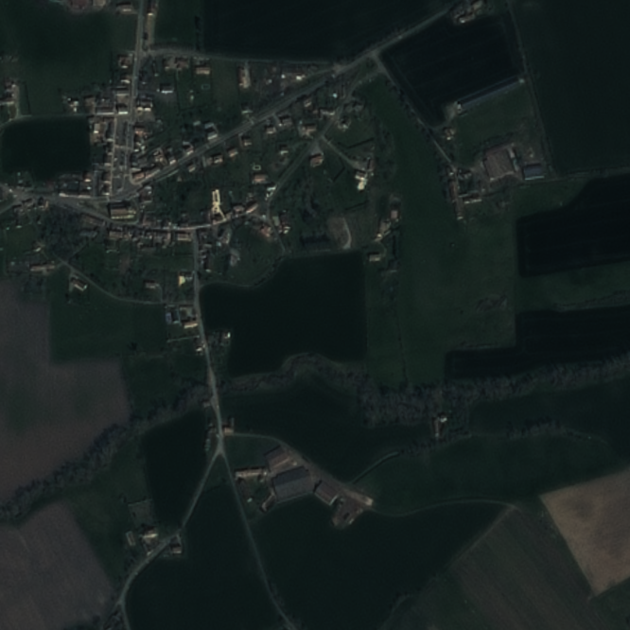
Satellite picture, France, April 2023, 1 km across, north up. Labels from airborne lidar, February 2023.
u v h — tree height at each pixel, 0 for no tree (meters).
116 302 0
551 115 0
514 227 0
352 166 0
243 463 0
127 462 0
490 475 0
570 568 0
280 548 0
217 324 0
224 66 0
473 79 0
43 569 0
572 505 0
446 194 6
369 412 27
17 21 0
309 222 27
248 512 0
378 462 0
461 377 0
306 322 0
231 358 0
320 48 0
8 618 0
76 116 0
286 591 0
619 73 0
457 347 0
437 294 0
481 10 0
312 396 0
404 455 6
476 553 0
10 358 0
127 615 0
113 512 0
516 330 0
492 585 0
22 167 0
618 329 0
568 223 0
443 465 0
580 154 0
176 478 0
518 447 0
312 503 0
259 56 0
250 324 0
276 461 0
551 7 0
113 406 0
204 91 0
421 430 0
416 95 0
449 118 0
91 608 0
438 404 17
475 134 0
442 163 8
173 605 0
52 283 0
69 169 0
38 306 0
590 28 0
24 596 0
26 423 0
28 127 0
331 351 0
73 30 0
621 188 0
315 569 0
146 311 0
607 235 0
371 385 17
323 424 0
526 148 0
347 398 0
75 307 0
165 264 0
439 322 0
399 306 0
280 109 0
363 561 0
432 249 0
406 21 0
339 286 0
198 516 0
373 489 0
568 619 0
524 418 0
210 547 0
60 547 0
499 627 0
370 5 0
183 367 0
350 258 0
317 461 0
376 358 0
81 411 0
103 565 0
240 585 0
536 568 0
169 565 0
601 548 0
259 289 0
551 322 0
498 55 0
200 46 10
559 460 0
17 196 0
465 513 0
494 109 0
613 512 0
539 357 0
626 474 0
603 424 0
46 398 0
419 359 0
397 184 0
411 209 0
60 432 0
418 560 0
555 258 0
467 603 0
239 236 0
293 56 0
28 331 0
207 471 0
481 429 0
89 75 0
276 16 0
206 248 0
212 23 0
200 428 0
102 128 7
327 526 0
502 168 0
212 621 0
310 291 0
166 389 0
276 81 0
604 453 0
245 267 0
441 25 0
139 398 0
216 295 0
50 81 0
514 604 0
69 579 0
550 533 0
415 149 0
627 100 0
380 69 0
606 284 0
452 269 0
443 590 0
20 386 0
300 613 0
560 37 0
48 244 19
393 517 0
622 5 0
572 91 0
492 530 0
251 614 0
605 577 0
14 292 0
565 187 0
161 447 0
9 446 0
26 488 0
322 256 0
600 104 0
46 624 0
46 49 0
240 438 0
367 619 0
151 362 0
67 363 0
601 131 0
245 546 0
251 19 0
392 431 0
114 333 0
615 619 0
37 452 0
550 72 0
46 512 0
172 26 0
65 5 0
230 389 7
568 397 0
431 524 0
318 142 0
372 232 0
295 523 0
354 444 0
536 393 0
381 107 0
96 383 0
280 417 0
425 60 0
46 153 0
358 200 0
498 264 0
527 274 0
